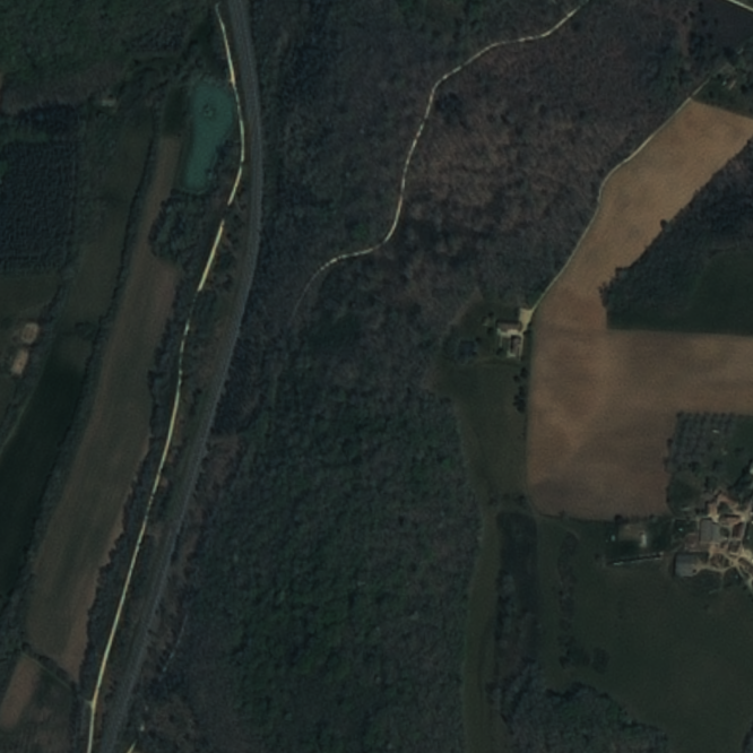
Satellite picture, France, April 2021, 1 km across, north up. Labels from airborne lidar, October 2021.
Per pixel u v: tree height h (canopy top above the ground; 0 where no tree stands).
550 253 18
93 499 0
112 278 0
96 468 0
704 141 0
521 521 0
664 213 0
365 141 14
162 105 10
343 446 18
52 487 12
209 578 14
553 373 0
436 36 9
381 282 14
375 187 15
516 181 19
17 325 0
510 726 17
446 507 18
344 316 19
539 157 16
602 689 0
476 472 0
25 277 8
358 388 9
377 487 15
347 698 19
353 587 21
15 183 18
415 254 18
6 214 19
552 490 0
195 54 11
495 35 11
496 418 0
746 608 0
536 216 22
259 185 0
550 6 16
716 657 0
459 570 19
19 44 22
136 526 15
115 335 0
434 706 17
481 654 0
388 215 22
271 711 22
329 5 19
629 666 0
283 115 10
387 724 25
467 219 16
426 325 20
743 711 0
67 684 16
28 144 22
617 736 22
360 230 24
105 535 0
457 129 13
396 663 17
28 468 0
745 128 0
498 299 16
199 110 0
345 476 24
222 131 0
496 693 19
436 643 18
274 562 16
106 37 23
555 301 0
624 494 0
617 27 11
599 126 18
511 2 19
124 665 7
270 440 19
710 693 0
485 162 16
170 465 9
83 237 16
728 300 0
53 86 23
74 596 0
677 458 12
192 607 15
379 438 21
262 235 13
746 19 0
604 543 0
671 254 11
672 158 0
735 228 10
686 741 0
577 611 0
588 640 0
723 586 0
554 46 7
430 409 21
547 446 0
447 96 19
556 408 0
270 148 6
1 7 25
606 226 0
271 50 20
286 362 20
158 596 0
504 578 14
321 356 14
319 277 15
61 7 24
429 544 19
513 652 0
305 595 27
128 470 0
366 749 18
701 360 0
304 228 16
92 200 16
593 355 0
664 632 0
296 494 22
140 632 0
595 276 0
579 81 11
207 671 18
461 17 11
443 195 17
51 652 0
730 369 0
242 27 0
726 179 15
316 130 8
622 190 0
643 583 0
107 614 7
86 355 0
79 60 24
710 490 8
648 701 0
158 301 0
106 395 0
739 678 0
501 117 17
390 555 19
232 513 15
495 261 20
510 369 0
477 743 0
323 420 18
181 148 0
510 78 7
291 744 15
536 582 0
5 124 15
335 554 23
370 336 9
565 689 0
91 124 13
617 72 12
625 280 13
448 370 0
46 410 0
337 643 27
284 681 22
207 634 17
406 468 23
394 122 10
